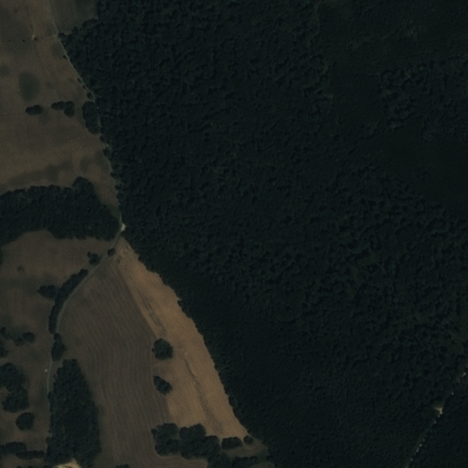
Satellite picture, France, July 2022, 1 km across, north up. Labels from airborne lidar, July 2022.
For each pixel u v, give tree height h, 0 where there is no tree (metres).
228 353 15
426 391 22
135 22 25
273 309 21
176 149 21
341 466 21
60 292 17
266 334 21
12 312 0
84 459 19
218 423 0
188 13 21
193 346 0
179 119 17
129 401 0
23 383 17
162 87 20
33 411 0
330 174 20
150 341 0
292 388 17
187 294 15
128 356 0
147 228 20
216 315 19
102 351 0
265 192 24
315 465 20
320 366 17
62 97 0
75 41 22
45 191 18
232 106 22
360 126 6
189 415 0
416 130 15
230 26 21
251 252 23
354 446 14
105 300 0
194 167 20
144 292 0
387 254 24
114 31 23
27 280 0
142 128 25
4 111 0
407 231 30
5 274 0
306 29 24
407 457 12
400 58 6
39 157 0
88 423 22
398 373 27
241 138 21
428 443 18
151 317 0
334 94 5
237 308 18
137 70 27
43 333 0
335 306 24
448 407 19
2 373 22
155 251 15
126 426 0
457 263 25
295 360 16
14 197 21
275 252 9
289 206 20
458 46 8
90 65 18
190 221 22
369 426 15
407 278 21
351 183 23
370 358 23
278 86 19
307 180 23
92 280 0
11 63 0
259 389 17
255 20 20
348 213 28
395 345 28
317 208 24
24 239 0
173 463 0
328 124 27
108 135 22
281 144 23
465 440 21
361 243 28
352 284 28
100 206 20
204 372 0
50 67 0
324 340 22
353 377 16
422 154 13
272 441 12
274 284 24
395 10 16
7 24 0
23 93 0
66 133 0
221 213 22
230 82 23
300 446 16
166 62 19
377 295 20
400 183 25
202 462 0
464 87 16
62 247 0
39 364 0
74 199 19
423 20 16
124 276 0
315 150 25
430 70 20
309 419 17
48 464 20
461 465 17
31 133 0
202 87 29
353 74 7
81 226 22
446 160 15
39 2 0
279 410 20
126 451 0
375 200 25
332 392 15
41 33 0
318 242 23
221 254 23
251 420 21
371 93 8
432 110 18
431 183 14
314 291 22
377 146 14
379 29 17
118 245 0
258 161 20
